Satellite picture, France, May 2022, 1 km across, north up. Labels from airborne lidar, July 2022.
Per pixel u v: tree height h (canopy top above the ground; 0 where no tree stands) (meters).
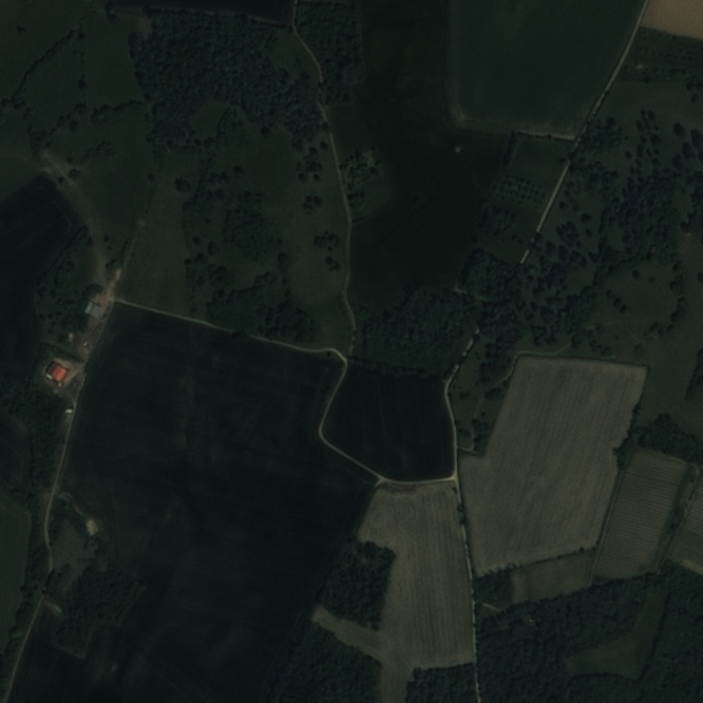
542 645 15
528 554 0
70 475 0
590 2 0
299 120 14
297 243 0
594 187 13
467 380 0
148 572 0
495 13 0
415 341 24
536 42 0
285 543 0
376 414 0
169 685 0
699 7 0
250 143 6
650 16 0
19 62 0
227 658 0
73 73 0
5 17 0
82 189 0
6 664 14
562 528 0
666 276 0
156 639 0
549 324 18
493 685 18
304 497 0
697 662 25
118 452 0
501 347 14
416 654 0
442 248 0
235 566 0
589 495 0
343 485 0
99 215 0
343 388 0
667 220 6
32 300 0
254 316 12
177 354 0
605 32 0
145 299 0
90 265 0
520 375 0
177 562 0
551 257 14
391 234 0
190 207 15
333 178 0
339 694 19
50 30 0
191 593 0
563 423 0
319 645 19
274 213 0
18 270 0
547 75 0
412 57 0
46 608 0
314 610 0
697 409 0
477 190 0
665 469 0
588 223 13
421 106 0
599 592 18
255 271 0
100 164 0
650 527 0
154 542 0
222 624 0
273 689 15
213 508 0
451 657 0
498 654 15
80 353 0
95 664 0
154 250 0
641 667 0
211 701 0
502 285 12
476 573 10
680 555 0
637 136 0
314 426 0
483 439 9
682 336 0
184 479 0
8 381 14
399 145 0
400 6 0
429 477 0
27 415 6
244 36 20
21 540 0
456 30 0
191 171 0
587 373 0
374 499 0
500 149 0
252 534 0
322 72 7
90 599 10
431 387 0
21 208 0
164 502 0
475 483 0
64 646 14
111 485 0
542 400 0
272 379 0
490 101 0
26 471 0
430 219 0
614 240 0
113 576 7
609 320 0
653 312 0
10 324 0
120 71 0
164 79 14
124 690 0
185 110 15
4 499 0
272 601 0
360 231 0
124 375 0
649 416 0
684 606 14
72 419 0
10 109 8
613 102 0
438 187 0
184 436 0
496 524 0
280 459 0
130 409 0
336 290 0
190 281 6
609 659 0
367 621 6
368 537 0
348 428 0
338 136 0
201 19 18
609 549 0
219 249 14
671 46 0
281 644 0
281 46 0
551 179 0
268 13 0
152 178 12
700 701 18
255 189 0
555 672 23
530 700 21
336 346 0
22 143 0
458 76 0
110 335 0
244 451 0
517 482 0
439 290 0
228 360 0
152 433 0
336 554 0
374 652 0
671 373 0
